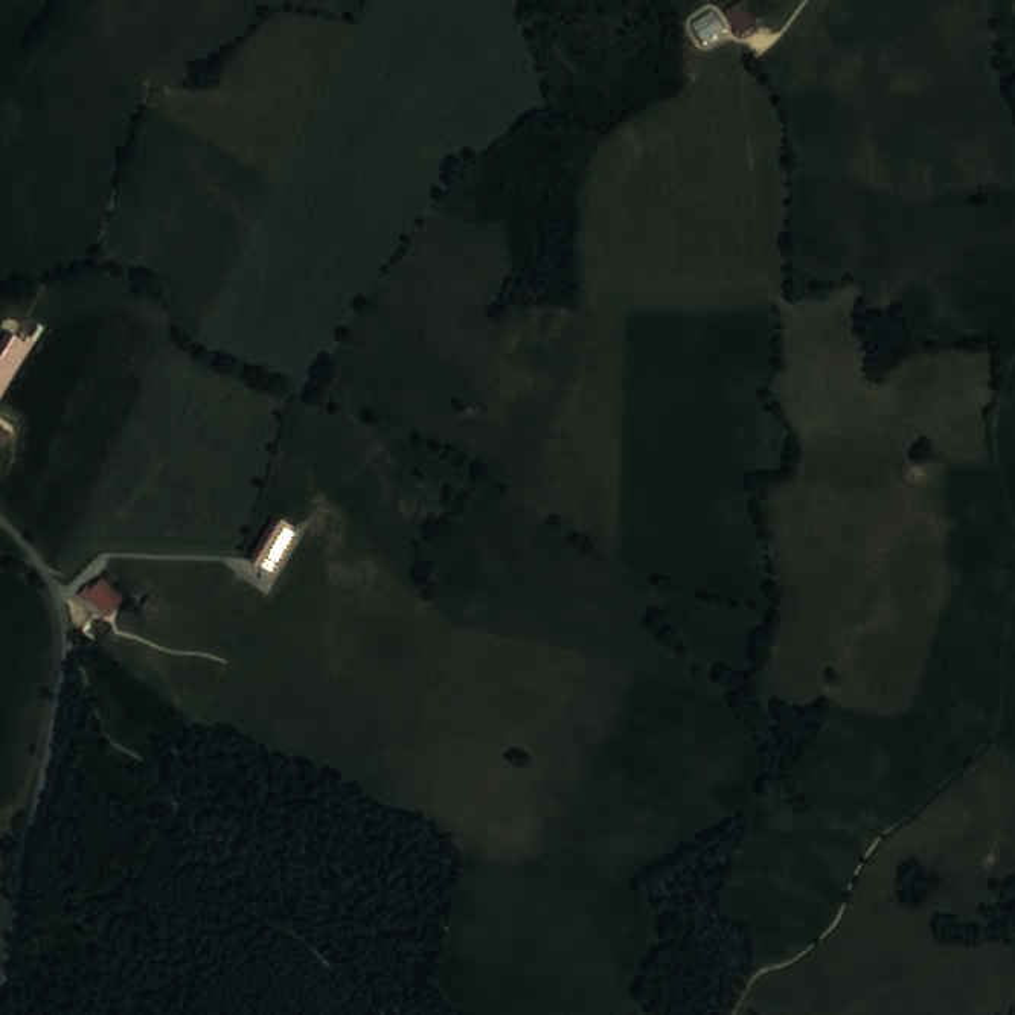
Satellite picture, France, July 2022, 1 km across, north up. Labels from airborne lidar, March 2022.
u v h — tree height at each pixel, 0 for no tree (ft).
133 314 0
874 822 0
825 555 0
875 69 0
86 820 103
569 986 0
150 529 0
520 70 0
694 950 61
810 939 0
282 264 0
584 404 0
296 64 0
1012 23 0
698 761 0
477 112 0
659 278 0
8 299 69
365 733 0
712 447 0
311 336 0
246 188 0
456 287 0
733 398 0
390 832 57
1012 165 0
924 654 0
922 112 0
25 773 0
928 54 0
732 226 0
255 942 88
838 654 0
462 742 0
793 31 0
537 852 0
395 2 0
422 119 0
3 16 0
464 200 0
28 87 0
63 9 68
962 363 0
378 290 0
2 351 0
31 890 72
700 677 28
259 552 0
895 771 0
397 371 0
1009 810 0
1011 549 0
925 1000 0
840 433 0
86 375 0
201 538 0
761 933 0
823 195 0
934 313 0
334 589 0
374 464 0
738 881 0
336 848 102
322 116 0
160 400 0
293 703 0
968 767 30
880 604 0
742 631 0
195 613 0
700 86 0
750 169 0
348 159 0
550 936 0
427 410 0
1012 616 0
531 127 49
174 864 84
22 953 54
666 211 0
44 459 0
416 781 0
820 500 0
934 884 40
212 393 0
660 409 0
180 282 0
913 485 0
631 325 0
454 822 0
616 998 0
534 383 0
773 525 0
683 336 0
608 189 0
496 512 0
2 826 0
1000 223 0
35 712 0
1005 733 0
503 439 0
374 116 0
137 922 67
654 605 0
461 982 0
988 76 0
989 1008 0
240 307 0
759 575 0
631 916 0
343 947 97
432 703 0
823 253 0
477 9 0
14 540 0
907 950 0
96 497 0
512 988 0
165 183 0
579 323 0
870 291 0
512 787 0
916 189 0
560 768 0
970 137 0
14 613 0
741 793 0
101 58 0
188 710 0
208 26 0
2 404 0
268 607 0
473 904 0
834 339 0
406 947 101
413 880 78
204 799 88
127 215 0
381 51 0
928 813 0
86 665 75
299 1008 73
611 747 0
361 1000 73
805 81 0
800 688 0
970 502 0
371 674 0
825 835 0
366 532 0
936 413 0
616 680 0
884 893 0
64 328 0
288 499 0
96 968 36
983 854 0
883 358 74
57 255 0
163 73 0
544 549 0
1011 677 0
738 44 0
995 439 0
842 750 0
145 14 0
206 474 0
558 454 0
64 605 0
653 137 0
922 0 0
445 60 0
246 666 0
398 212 0
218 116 0
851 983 0
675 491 0
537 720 0
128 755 0
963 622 0
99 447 0
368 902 95
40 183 0
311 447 0
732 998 70
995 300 0
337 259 0
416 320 0
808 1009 0
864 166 0
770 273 0
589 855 0
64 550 0
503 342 0
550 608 0
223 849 111
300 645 0
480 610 0
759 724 85
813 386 0
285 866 112
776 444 0
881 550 0
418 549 30
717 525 0
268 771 83
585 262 0
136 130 41
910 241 0
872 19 0
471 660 0
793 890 0
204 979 94
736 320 0
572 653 0
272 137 0
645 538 0
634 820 0
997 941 40
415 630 0
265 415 0
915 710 0
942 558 0
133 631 0
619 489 0
